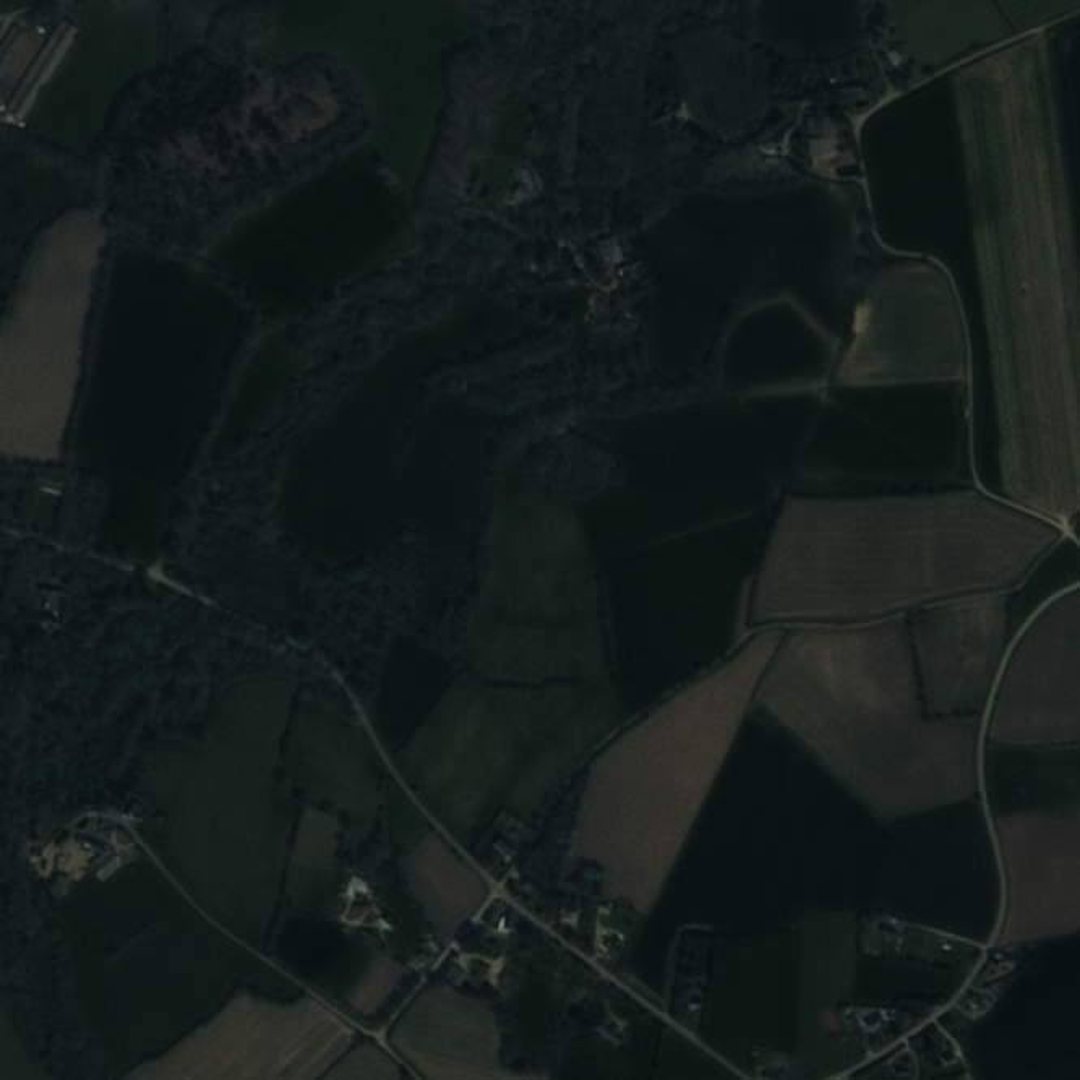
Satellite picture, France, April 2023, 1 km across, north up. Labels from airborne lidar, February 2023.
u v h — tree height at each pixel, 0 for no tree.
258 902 0
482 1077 0
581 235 16
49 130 0
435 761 0
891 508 0
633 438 0
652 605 0
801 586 0
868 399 0
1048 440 0
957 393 0
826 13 0
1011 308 0
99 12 0
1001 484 0
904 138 0
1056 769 0
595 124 18
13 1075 0
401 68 0
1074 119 0
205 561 6
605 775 0
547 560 0
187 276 0
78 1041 15
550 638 0
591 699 0
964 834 0
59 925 7
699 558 0
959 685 0
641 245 18
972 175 0
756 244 0
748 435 0
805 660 0
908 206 0
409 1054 0
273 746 0
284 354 0
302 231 0
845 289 0
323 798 0
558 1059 7
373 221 0
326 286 0
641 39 13
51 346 0
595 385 13
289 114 8
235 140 6
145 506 0
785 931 0
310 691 18
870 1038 7
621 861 0
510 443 21
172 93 18
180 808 0
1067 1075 0
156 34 0
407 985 12
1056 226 0
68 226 0
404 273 11
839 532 0
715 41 15
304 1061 0
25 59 0
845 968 0
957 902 0
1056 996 0
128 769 13
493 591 0
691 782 0
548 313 12
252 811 0
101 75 0
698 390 14
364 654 18
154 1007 0
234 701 0
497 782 0
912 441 0
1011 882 0
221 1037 0
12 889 29
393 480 0
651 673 0
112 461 0
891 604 0
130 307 0
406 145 0
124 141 25
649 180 18
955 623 0
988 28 0
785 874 0
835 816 0
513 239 7
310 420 11
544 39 21
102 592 13
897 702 0
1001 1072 0
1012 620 10
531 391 11
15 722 20
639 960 0
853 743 0
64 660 22
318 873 0
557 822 13
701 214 0
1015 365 0
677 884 0
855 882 0
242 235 0
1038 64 0
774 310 0
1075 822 0
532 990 0
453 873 0
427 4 0
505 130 0
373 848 15
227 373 15
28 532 12
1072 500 0
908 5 0
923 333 0
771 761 0
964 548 0
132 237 21
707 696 0
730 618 0
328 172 0
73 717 20
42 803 21
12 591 16
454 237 17
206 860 0
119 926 0
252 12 12
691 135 8
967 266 0
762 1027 0
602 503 0
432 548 0
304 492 0
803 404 0
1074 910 0
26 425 0
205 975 0
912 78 9
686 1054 0
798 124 0
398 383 0
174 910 0
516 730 0
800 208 0
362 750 0
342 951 0
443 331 0
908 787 0
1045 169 0
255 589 0
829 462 0
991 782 0
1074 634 0
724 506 0
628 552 0
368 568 12
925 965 7
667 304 0
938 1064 7
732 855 0
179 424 0
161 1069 0
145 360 0
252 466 17
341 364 8
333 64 8
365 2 0
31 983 7
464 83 19
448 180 24
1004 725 0
